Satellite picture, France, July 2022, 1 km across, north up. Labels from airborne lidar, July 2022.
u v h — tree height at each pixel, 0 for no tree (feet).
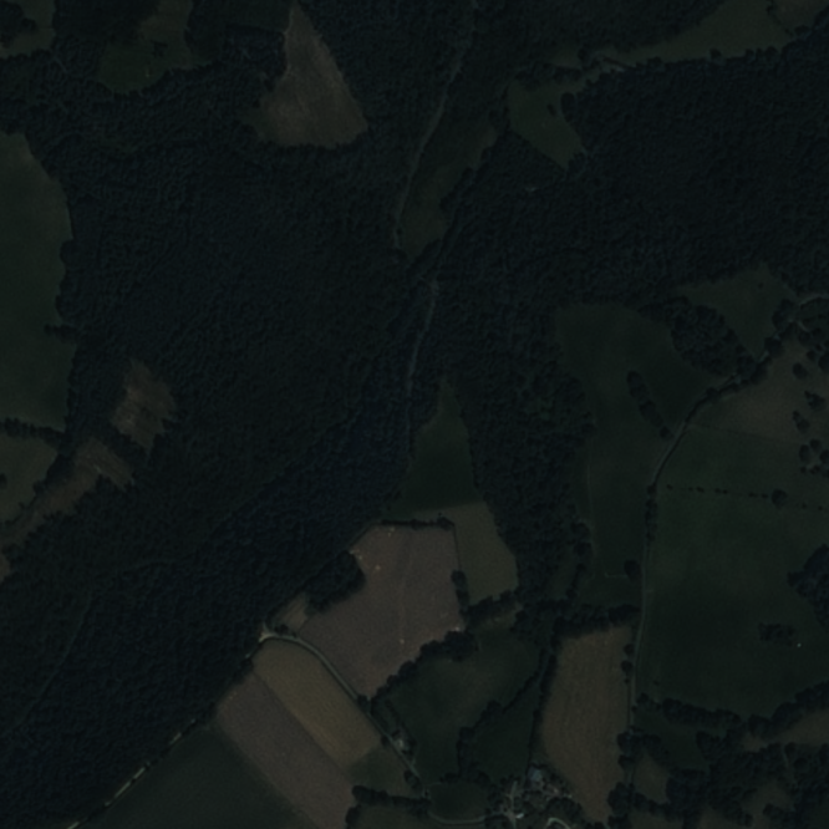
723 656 0
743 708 0
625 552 0
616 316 0
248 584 67
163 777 0
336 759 0
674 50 0
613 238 39
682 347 57
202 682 59
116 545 61
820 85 39
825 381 0
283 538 62
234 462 60
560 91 0
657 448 0
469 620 64
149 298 84
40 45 0
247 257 83
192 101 80
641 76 76
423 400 55
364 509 82
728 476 0
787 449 0
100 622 52
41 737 60
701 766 0
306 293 47
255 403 57
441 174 0
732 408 0
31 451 0
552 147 0
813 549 0
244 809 0
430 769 0
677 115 46
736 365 25
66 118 56
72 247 57
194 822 0
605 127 52
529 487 74
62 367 0
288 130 0
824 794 71
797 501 0
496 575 0
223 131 62
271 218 62
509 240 56
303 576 63
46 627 67
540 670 24
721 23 0
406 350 35
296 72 0
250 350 75
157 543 70
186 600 72
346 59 102
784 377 0
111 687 73
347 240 50
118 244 89
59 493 0
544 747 0
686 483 0
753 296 0
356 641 0
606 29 31
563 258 34
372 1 61
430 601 0
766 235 43
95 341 95
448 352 31
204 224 87
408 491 0
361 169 77
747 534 0
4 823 55
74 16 85
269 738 0
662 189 53
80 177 86
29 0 0
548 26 53
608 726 0
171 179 71
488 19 72
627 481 0
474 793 0
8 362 0
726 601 0
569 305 32
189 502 54
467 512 0
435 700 0
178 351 74
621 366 0
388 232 53
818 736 0
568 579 0
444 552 0
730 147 46
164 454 64
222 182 67
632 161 39
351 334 64
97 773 76
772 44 0
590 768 0
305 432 68
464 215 59
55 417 0
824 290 25
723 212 51
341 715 0
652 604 0
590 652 0
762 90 54
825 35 35
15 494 0
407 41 91
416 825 0
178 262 85
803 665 0
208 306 74
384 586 0
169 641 57
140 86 0
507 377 31
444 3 48
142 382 0
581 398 45
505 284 40
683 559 0
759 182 49
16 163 0
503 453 66
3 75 76
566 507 25
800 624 0
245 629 55
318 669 0
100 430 78
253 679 0
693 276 69
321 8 78
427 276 48
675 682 0
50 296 0
